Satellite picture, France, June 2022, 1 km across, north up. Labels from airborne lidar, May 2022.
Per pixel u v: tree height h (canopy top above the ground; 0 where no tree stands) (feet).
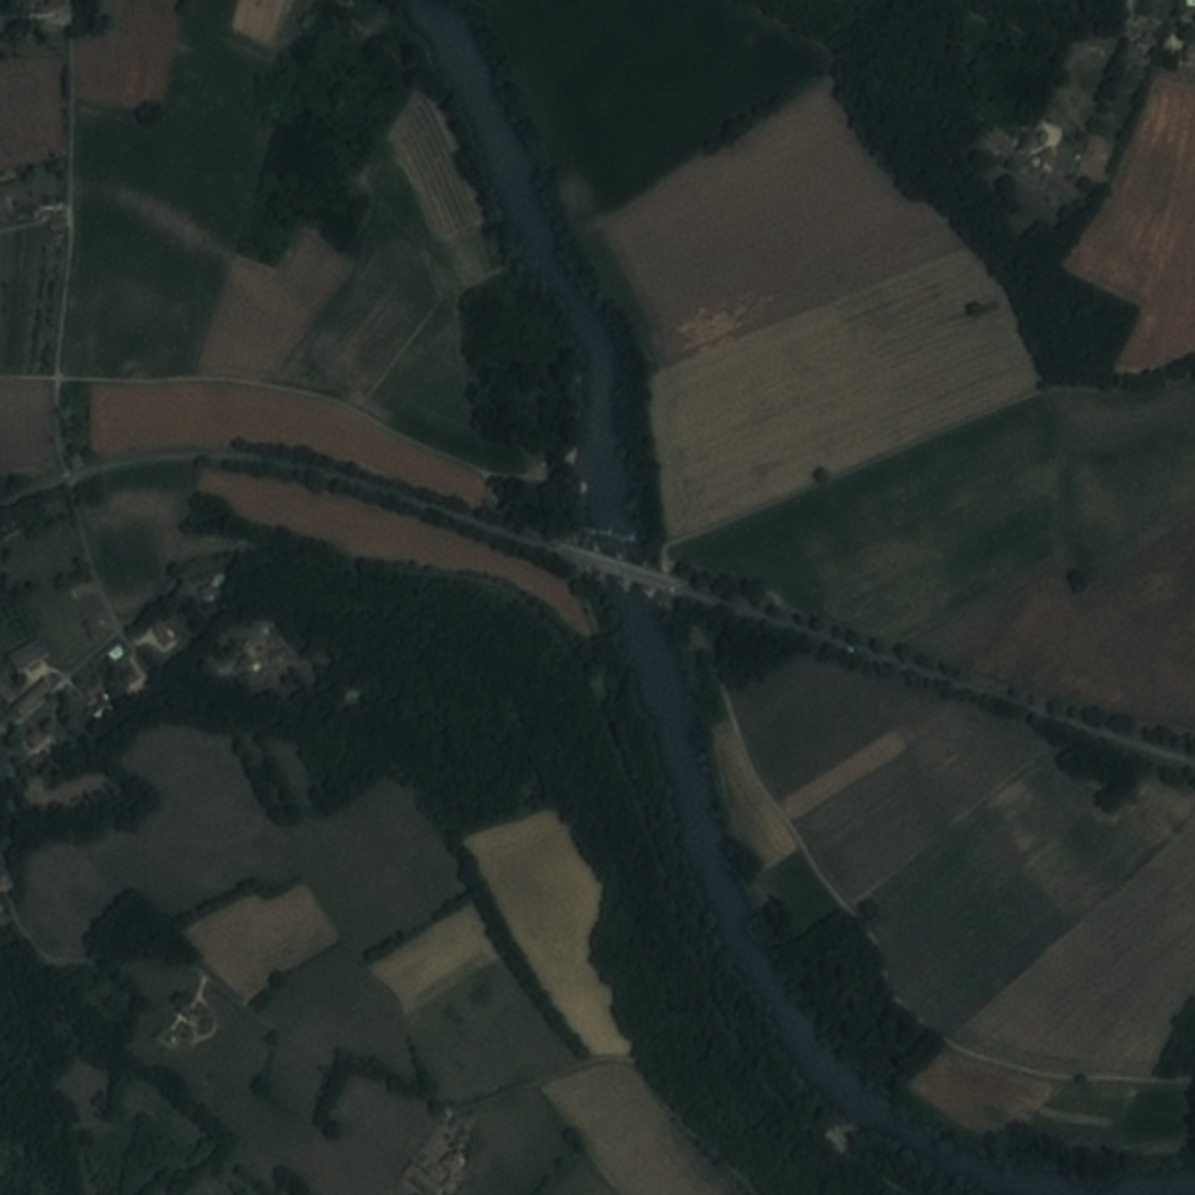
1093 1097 0
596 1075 0
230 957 0
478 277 0
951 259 0
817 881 0
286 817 38
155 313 0
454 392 0
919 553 0
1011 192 59
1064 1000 0
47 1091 29
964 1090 0
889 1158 44
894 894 0
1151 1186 0
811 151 0
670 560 0
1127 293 0
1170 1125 0
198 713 40
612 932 34
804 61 0
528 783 28
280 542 51
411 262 0
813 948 42
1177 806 0
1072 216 46
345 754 17
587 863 21
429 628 45
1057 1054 0
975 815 0
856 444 0
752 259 0
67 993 32
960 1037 0
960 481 0
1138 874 0
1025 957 0
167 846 0
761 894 0
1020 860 0
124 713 53
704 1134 27
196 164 0
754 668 49
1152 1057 0
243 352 0
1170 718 0
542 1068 0
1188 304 0
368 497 57
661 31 0
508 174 0
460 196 0
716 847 0
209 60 0
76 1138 26
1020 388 0
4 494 33
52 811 32
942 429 0
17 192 0
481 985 0
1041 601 0
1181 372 54
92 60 0
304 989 0
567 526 54
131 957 55
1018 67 47
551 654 27
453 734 44
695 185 0
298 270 0
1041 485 0
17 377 0
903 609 0
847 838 0
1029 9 47
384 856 0
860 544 0
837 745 0
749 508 0
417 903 0
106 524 0
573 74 0
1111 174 18
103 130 0
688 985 56
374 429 0
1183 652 0
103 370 0
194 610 52
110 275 0
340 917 0
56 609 0
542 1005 37
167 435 0
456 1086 0
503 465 0
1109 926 0
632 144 0
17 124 0
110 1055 47
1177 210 0
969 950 0
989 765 0
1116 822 0
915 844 0
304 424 0
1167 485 0
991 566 0
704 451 0
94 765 60
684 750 0
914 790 0
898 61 49
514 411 98
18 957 43
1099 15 54
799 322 0
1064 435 0
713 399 0
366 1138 0
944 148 38
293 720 49
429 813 27
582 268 50
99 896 0
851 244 0
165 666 22
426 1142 0
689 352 0
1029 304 47
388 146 0
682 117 0
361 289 0
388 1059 0
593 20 0
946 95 46
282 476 52
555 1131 0
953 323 0
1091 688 0
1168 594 0
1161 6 0
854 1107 0
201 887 0
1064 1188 0
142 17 0
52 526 41
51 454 0
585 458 0
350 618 37
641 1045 30
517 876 0
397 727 45
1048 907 0
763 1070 68
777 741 0
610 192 0
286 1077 0
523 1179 0
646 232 0
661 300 0
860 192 0
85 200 0
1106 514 0
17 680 39
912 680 60
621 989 37
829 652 54
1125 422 0
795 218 0
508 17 0
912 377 0
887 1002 68
